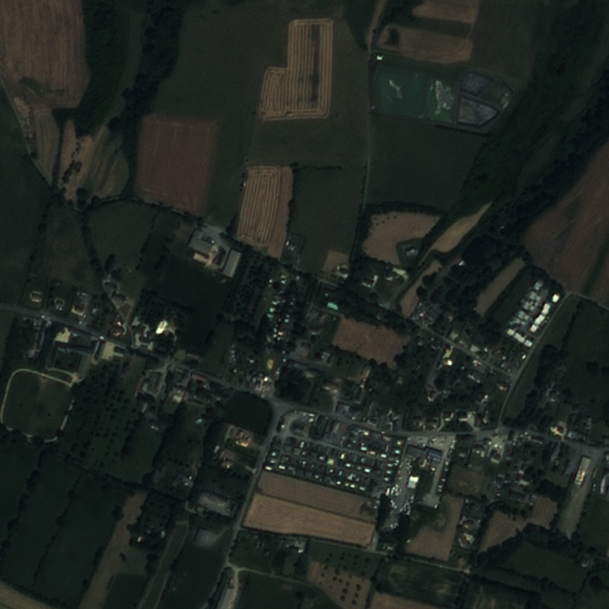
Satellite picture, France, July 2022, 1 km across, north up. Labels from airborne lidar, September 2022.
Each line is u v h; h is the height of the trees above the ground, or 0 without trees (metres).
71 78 0
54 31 0
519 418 9
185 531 0
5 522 0
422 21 0
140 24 0
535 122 0
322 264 0
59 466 0
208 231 0
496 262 8
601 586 15
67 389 0
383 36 0
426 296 16
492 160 0
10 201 0
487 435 0
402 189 0
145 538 7
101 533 0
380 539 7
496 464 0
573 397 14
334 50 0
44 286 0
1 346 0
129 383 0
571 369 0
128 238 0
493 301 0
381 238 0
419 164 0
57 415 0
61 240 0
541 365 7
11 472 0
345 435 0
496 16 0
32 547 0
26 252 0
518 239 6
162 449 12
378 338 0
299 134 0
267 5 0
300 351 0
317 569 0
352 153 0
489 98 0
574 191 0
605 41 0
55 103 0
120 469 0
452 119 0
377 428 0
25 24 0
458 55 0
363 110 0
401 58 0
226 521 18
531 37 0
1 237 0
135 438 13
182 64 0
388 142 0
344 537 0
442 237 0
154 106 0
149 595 0
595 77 0
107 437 7
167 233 0
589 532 0
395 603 0
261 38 0
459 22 0
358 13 0
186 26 0
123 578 0
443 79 0
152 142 0
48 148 0
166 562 0
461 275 16
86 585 12
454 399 12
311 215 0
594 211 0
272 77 0
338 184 0
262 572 0
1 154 0
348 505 0
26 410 0
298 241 0
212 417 6
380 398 0
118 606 0
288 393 16
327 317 0
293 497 0
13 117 0
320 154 0
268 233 0
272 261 10
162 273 12
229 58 0
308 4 0
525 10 0
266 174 0
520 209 12
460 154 0
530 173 0
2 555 16
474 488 0
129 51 0
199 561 0
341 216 0
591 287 0
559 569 0
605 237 0
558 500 15
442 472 0
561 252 0
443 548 0
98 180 0
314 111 0
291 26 0
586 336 0
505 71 0
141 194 0
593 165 0
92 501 0
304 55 0
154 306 9
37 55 0
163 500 9
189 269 0
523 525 0
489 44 0
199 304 0
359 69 0
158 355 11
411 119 0
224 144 0
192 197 0
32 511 0
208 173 0
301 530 0
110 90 0
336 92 0
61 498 0
